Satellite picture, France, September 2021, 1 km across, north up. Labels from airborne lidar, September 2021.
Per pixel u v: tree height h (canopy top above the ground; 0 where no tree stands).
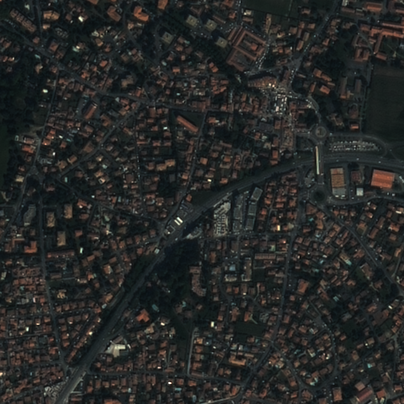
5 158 0
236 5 0
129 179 0
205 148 7
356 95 0
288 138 0
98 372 11
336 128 6
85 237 9
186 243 12
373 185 8
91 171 6
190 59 6
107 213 0
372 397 0
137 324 0
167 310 16
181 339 7
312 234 16
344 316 0
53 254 0
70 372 7
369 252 0
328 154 0
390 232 6
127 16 8
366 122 10
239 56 0
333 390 0
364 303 5
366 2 0
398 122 0
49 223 0
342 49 0
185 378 6
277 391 15
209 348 7
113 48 6
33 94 12
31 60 12
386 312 0
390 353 7
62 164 0
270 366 6
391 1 0
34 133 0
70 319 0
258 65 0
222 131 14
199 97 8
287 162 19
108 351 0
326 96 11
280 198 0
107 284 8
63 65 7
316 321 0
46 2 10
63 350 7
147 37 20
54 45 0
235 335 6
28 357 0
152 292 19
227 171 0
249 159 6
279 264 7
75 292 11
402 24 0
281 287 7
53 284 0
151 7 14
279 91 0
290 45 6
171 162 0
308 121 11
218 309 6
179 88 7
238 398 0
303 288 0
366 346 6
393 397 0
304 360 0
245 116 14
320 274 9
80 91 9
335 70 15
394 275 0
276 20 0
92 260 8
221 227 0
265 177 0
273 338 0
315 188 0
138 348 7
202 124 0
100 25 6
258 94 18
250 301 6
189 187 6
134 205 0
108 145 0
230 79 18
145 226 10
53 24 9
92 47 14
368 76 0
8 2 15
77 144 8
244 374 9
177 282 8
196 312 0
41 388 0
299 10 5
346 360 0
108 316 7
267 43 0
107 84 0
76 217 11
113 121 10
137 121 8
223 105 0
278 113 0
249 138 7
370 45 0
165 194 6
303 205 11
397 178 0
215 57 9
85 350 11
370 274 0
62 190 17
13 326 8
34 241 0
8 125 13
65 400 0
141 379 0
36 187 14
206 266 13
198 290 0
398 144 0
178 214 0
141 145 7
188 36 12
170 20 8
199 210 0
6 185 9
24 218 0
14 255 8
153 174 11
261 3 0
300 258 6
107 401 0
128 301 0
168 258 20
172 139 6
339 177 0
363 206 7
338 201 0
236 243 0
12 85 16
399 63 18
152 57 18
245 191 0
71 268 10
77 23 8
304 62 8
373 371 0
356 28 13
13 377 6
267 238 0
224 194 0
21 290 12
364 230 0
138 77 12
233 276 0
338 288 7
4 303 11
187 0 9
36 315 0
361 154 0
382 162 0
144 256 0
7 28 16
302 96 20
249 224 0
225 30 0
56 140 7
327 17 0
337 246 5
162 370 6
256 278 0
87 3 13
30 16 8
